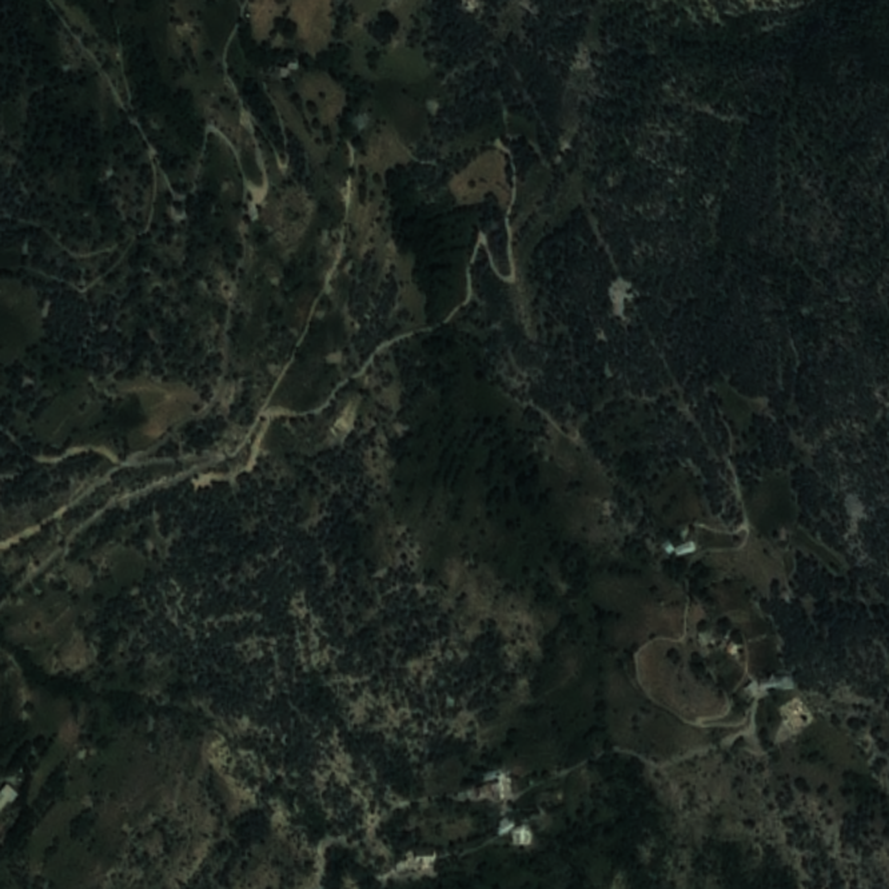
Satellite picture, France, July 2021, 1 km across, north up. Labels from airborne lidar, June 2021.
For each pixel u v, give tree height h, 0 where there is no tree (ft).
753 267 22
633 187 53
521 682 0
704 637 0
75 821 29
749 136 56
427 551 0
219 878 27
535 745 0
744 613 0
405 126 0
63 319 28
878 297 44
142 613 35
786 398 51
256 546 34
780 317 67
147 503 31
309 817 25
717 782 0
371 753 25
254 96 58
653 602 0
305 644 25
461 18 21
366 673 17
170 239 32
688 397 26
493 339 31
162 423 0
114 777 0
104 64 22
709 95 24
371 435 41
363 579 0
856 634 37
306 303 0
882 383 43
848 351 57
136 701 27
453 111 36
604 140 43
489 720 21
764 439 28
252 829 38
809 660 24
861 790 28
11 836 36
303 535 27
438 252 51
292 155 28
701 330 38
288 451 71
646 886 29
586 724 0
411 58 0
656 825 19
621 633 0
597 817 40
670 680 0
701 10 20
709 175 64
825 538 35
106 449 0
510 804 28
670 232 44
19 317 0
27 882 18
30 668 37
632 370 31
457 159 27
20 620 0
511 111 45
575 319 50
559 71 27
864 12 28
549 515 0
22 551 23
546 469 0
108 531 26
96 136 29
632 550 34
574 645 23
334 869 52
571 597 27
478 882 30
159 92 40
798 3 19
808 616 44
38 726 0
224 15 0
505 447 38
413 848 51
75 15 0
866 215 60
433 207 20
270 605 35
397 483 36
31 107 23
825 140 58
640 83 48
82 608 0
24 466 38
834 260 49
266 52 54
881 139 40
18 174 27
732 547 0
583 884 29
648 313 40
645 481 22
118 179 31
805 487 28
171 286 26
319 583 27
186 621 20
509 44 42
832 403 23
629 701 0
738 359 36
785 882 20
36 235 43
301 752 22
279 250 0
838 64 31
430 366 30
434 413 22
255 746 22
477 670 38
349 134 43
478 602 0
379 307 21
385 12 39
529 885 24
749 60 54
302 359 26
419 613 40
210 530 31
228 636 22
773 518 0
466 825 0
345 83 33
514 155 27
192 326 22
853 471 45
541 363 21
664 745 0
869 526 45
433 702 41
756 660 0
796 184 33
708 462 25
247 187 0
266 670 21
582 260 39
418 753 30
